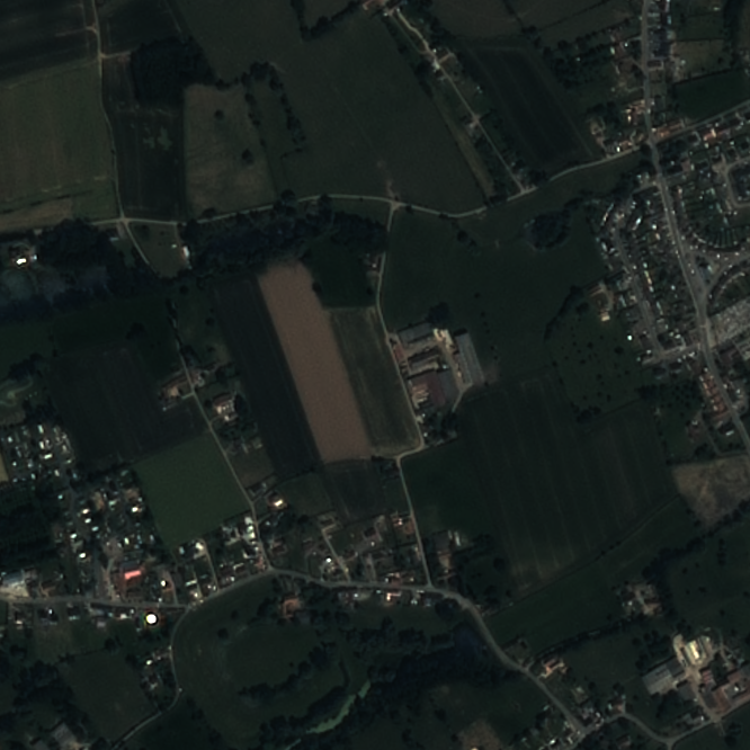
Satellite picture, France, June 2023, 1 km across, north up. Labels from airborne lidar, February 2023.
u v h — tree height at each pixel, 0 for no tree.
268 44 0
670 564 20
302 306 0
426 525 0
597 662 0
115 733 0
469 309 0
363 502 0
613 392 0
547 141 0
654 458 0
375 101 0
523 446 0
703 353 0
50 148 0
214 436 0
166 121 0
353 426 0
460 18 0
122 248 0
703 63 0
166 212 0
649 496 0
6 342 0
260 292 0
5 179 0
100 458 0
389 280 0
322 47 0
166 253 0
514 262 0
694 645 0
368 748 0
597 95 0
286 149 0
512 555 0
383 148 0
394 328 0
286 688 12
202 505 0
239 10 0
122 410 0
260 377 0
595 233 6
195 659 0
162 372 0
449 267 0
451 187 0
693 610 0
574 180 0
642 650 8
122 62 0
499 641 0
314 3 0
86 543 14
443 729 0
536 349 0
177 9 0
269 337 0
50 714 0
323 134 0
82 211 0
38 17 0
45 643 0
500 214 0
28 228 0
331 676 0
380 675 17
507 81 0
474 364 0
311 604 9
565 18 0
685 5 0
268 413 0
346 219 18
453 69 0
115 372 0
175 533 0
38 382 0
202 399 0
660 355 0
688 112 0
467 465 0
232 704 0
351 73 0
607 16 0
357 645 20
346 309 0
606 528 0
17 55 0
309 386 0
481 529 0
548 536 0
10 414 0
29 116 0
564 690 0
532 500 0
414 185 0
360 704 14
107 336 0
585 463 0
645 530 0
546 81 0
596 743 8
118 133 0
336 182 0
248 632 0
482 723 0
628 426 0
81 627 0
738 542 0
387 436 0
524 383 0
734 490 0
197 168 0
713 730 0
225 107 0
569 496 0
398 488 0
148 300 0
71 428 0
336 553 0
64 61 0
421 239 0
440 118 0
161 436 0
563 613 0
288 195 12
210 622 0
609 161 0
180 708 0
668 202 0
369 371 0
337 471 0
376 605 0
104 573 0
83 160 0
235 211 0
